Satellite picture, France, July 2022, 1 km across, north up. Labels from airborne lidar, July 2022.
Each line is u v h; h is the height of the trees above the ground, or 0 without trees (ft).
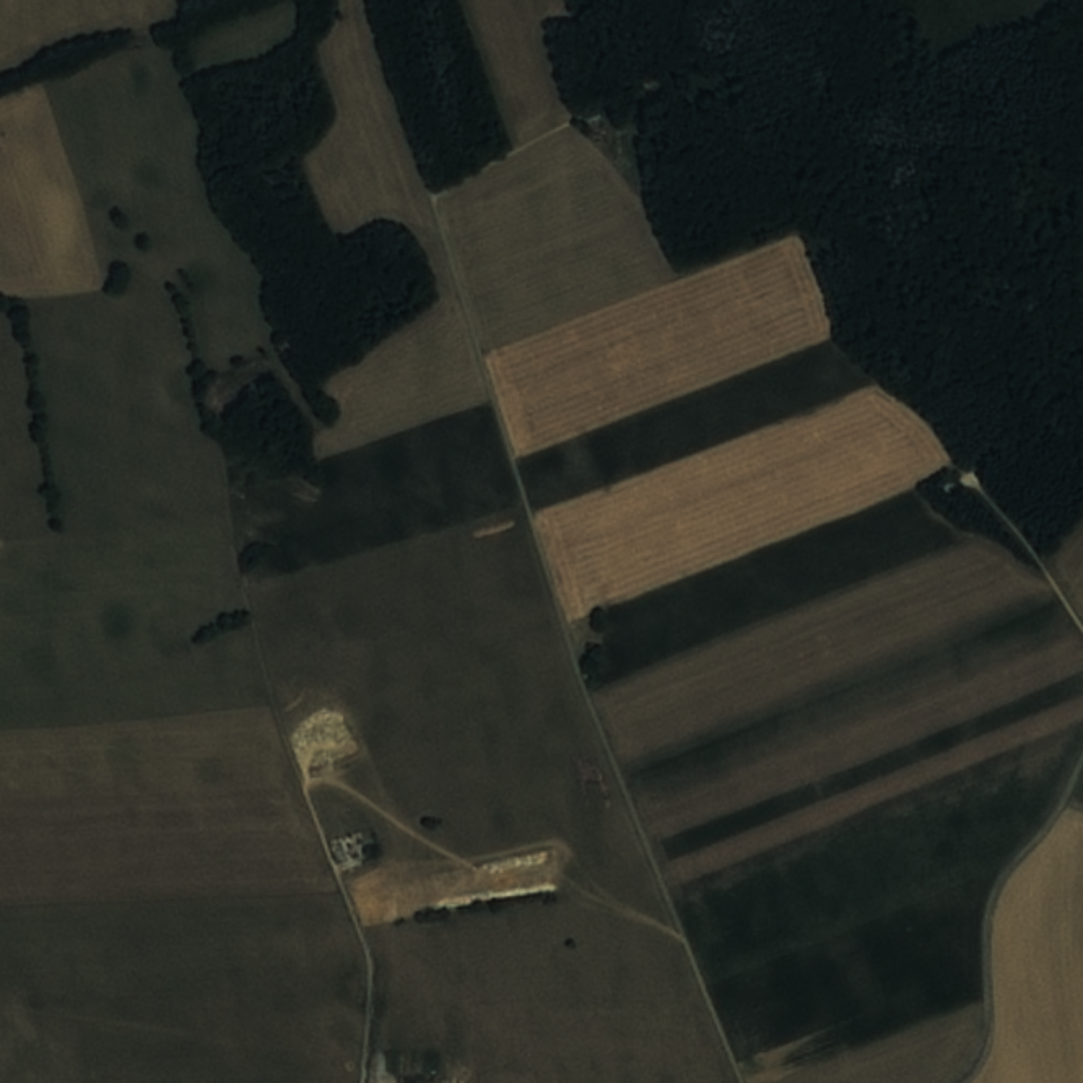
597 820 0
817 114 75
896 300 68
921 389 73
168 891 0
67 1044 0
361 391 0
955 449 59
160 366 0
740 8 78
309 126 49
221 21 45
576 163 0
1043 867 0
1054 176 75
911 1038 0
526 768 0
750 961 0
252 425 68
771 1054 0
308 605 0
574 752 0
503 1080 0
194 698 0
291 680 0
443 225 0
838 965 0
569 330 0
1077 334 66
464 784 0
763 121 66
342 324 75
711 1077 0
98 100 0
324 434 0
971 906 0
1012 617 0
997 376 61
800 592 0
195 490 0
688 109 74
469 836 0
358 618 0
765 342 0
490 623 0
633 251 0
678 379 0
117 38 50
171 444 0
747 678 0
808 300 0
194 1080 0
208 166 53
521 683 0
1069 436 73
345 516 0
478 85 35
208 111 62
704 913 0
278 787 0
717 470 0
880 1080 0
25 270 0
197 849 0
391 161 0
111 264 0
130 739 0
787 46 84
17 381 0
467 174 45
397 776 0
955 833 0
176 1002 0
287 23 0
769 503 0
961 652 0
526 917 0
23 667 0
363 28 0
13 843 0
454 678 0
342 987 0
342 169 0
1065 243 90
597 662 46
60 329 0
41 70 51
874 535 0
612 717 0
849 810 0
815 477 0
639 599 0
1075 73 77
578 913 0
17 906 0
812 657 0
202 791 0
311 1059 0
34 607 0
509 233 0
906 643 0
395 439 0
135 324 0
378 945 0
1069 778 0
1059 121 66
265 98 42
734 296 0
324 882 0
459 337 0
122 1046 0
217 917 0
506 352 0
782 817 0
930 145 51
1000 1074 0
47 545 0
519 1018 0
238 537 0
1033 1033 0
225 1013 0
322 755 0
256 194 66
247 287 0
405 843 0
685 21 82
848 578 0
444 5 42
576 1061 0
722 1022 0
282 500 0
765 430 0
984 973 0
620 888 0
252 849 0
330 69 0
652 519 0
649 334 0
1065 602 0
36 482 0
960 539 0
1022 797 0
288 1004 0
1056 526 69
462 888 0
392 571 0
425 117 42
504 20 0
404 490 0
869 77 74
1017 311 82
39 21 0
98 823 0
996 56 88
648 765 0
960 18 0
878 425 0
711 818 0
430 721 0
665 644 0
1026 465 68
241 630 39
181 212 0
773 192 79
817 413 0
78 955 0
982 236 87
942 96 68
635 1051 0
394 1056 0
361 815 0
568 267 0
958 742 0
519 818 0
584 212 0
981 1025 0
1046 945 0
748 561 0
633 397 0
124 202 0
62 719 0
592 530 0
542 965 0
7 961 0
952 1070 0
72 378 0
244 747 0
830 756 0
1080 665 0
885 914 0
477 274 0
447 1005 0
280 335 45
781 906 0
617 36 71
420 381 0
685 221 81
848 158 75
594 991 0
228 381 0
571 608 0
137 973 0
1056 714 0
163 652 0
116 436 0
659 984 0
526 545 0
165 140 0
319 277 68
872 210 92
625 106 62
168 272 0
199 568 0
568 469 0
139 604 0
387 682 0
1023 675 0
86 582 0
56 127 0
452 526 0
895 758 0
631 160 0
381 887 0
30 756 0
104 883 0
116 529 0
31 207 0
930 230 73
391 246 75
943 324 85
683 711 0
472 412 0
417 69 56
